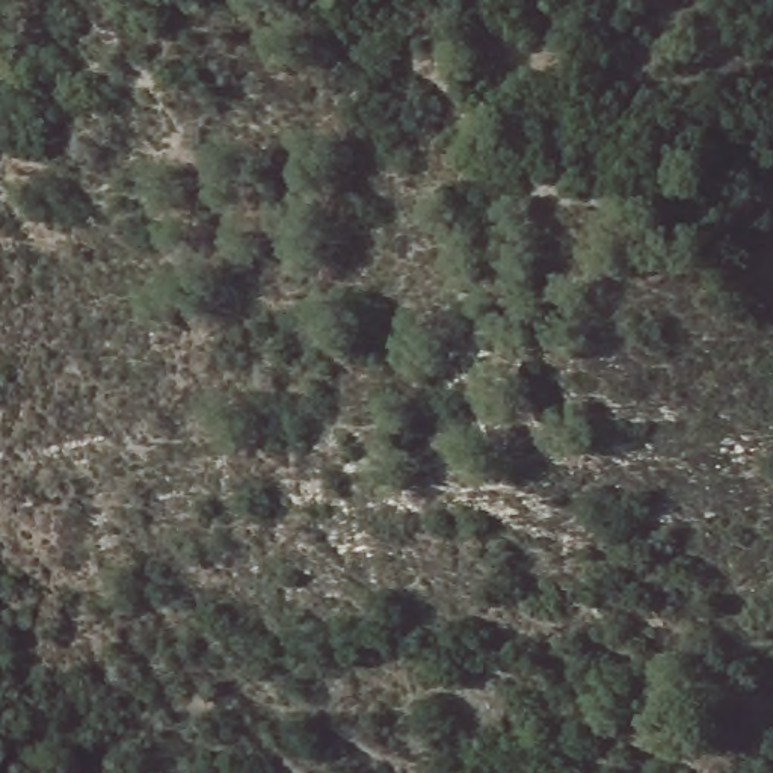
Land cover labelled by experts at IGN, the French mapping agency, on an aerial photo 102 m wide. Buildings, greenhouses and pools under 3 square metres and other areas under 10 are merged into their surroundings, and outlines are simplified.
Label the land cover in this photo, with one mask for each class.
<instances>
[{"label":"deciduous trees","instance_id":"1","mask_svg":"<svg viewBox=\"0 0 773 773\"><path fill-rule=\"evenodd\" d=\"M236 9L242 27L251 33V42L263 66L272 63V54H290L305 66H320L326 91H359V100L341 109V130L347 136L332 139L329 166L317 154L296 157L302 181L314 190L308 223L296 236V251L311 254L302 272L314 278L317 272L329 269L335 278H350L356 269H362L371 260L374 226L396 220V202L377 196L371 178L380 169L423 175L426 160H444L456 172L459 184H447L441 190V199L435 202L429 217L447 229H462L471 239L465 248V263H459L456 272V302L462 305L453 311L435 308L423 329L402 326L396 332V299L377 290H347L341 299L332 302V311L323 314L314 329V344L320 347L317 362L326 368L323 380H317V387L305 396L290 393V365L302 356V338L281 326L275 320V311L260 305V275L263 269L278 263L272 239L266 233H245L242 257L236 263H226L214 242L220 217L199 199V175L190 166L151 157L136 160L133 166L127 163L133 142L130 103L136 79L142 72H151L154 82H160L166 79V63L172 60V42L166 36H157V18L139 0H0V157H24L45 163V172H33V178L21 184V205L30 211L33 220L63 233L75 226L82 229L88 217L97 223H109L103 208H109L112 202L118 205V211L145 208L142 220H127L118 233L127 236L139 254L163 257V305L166 311H172L169 320L181 332H187L184 314H202L211 341L208 374H251L254 393H239L236 408H229L226 414H220L217 396L202 393L190 402V417L184 420V429L190 432L193 444L214 447V468L220 471V498H205L196 507L199 519L190 528L196 565H236L245 556L242 544L233 534V522L251 516L254 522L275 525L290 504L275 474L287 465V453H311L314 444L323 438L326 426L338 420L341 365L335 362V356L344 353L371 371L374 396L387 405V414L393 420H399V429L390 435V447L408 453L405 462H399L405 492H411L414 498H435L441 486L456 501H462L459 507L438 513H408L387 507L359 510V528L371 537V544L411 547L417 534L459 540L474 537L477 556L492 568L483 586V601L492 607L525 604L528 613L556 622V628L547 634L522 637L513 628H501L489 619L474 616L462 622H447L417 592L377 589L365 601L362 616L347 619H320L317 613L287 601L284 592L290 586L311 583V577L305 574V553L317 547L323 556L332 559L338 553L329 544L326 531H320V519H332L335 510L350 513V504L344 501L350 495L347 474L371 471L362 444L353 435H344L338 444L353 462H347L344 471H326L320 480L323 489L341 495L338 507L308 504V516L302 522L305 537L296 540V553H281L278 559L260 553L257 562H251L248 586L254 589V595L248 601L233 604L223 586H199L181 571L175 568L169 550H139L130 559L133 568H124L115 586V595L106 604L97 592L79 595L82 607H88L100 619V625L118 634V664L100 667L94 661L72 670H45L42 682L30 676V667L36 664V643L54 640L57 619L42 616L45 586H39L27 574L9 571L0 562V773H396L390 764L368 761V755H362L350 743L353 734L374 743L383 752H396L399 758L414 761L420 773H773V728L761 734V743L749 755H719L722 731L728 728V722H722L713 713L716 701L731 698L737 688H755V679L752 673H746L740 661H731L716 646L710 634L713 607L707 589L673 562L658 565L649 559V550H655V544L649 534L658 528L661 513L679 510V504L670 501L661 489L631 492L616 486L598 489L589 483L571 498V507L574 519L586 522L580 537L586 550L562 553L559 540L513 531L492 513L465 507L468 492L480 489V483H513L525 489L534 480H544L550 465L598 471V456H619L616 465L628 468V450H640L643 444H649L658 435V423L676 420V411L667 408L664 399L655 393L649 399L619 402L613 393L598 390L595 402L583 405L577 390H568L559 408L534 417L525 399V383L519 380V368L525 362L522 320L528 308H534L525 269L531 266L528 242L534 239V229L528 226V205L537 196H550L559 205V223L565 226L574 245L571 272L550 275L544 290L547 302H556V308L534 329L544 347V362L556 368V374H583L586 359L610 356L625 344V338L616 329V308L625 299V287L610 278L613 269L631 278L679 275L691 266L694 257L707 269L719 272L722 284L731 293L728 314L734 320L755 317L758 326H773V0H226ZM94 112L106 115L109 142L100 145L88 136L79 157L72 160L66 154L72 121L88 118ZM390 661H405L408 676L420 679V685L480 688L489 682L504 701V716L492 725H480L474 707L453 694L423 698L414 704V713H299L278 719L275 713L260 710L257 701H251L226 676L229 670L245 667V673L254 682L269 679L284 691L302 694L314 707L329 694L359 688L362 667H380ZM287 151L236 145L223 160V199L229 205L284 202ZM658 329L664 338V356L673 359L679 356V344H688L691 338L685 329H679V320L667 314L658 323ZM719 453H731V459L725 465H716L722 477L746 480L758 477L761 468L773 471V426L764 432L722 438ZM142 510V525H154L157 501L184 498V489L154 495L151 486L133 483ZM725 631H740L749 646L773 655V571L758 586V595H749L743 601L740 613L722 619Z\"/></svg>","mask_w":773,"mask_h":773},{"label":"brushwood","instance_id":"2","mask_svg":"<svg viewBox=\"0 0 773 773\"><path fill-rule=\"evenodd\" d=\"M157 18V36H166L172 42V60L166 63V79L160 82L166 106L175 109L184 121V145L193 151L190 166L199 175V199L220 217L214 242L226 263H236L242 257L245 233H266L272 239L278 263L263 269L260 275V305L275 311V320L281 326L302 338V356L290 365V393L305 396L317 387V380H323L326 368L317 362L320 347L314 344V329L323 314L332 311V302L341 299L347 290H377L396 299V332L402 326L423 329L435 308L453 311L462 305L456 302V272L459 263H465V248L471 239L462 229H447L429 217L435 202L441 199V190L447 184H459L456 172L444 160H426L423 175L380 169L371 178L377 196L396 202V220L374 226L371 260L362 269H356L350 278H335L329 269L317 272L314 278L302 272L311 254L296 251V236L308 223L314 190L302 181L296 157L317 154L329 166L332 139L347 136L341 130V109L359 100V91H326L320 66H305L290 54H272V63L263 66L251 42V33L242 27L236 9L226 0H139ZM236 145L287 151L284 202L229 205L223 199V160ZM559 205L550 196H537L528 205V226L534 229V239L528 242L531 266L525 269L534 308H528L522 320L525 362L519 368V380L525 383V399L534 417L559 408L568 390H577L583 405L595 402L598 390L613 393L619 402L649 399L655 393L664 399L667 408L676 411V420L658 423V435L649 444H643L640 450H628V468L616 465L619 456H598V471L550 465L544 480H534L525 489L540 495L550 507H571V498L589 483L598 489L616 486L631 492L661 489L670 501L679 504V510L661 513L658 528L649 534L655 544V550H649V559L658 565L673 562L707 589L713 607L710 634L716 646L731 661H740L746 673H752L755 679V688H737L731 698L716 701L713 713L722 722H728V728L722 731L719 755H749L761 743V734L773 728V655L749 646L740 631H725L722 619L740 613L743 601L749 595H758V586L773 571V471L761 468L758 477L746 480L722 477L716 465H725L731 459V453H719L722 438L764 432L773 426V326H758L755 317L734 320L728 314L731 293L722 284L719 272L707 269L694 257L691 266L679 275L631 278L613 269L610 278L625 287V299L616 308V329L625 338V344L610 356L586 359L583 374H556V368L544 362V347L534 329L556 308V302H547L544 290L550 275L571 272L574 245L565 226L559 223ZM667 314L679 320V329H685L691 338L688 344H679V356L673 359L664 356V338L658 329V323ZM109 223H97L88 217L82 229L75 226L63 233L54 251H36L30 245V236L15 239V251H0V501H24L21 480L30 477L48 498H57L69 507L75 498V480L85 477L97 513L94 528L85 537L88 562H97L103 580L115 586L124 568H133L130 559L139 550H169L175 568L181 571L187 565H196L190 528L199 519L196 507L205 498H220V471L214 468V447L193 444L190 432L184 429V420L190 417V402L202 393L184 387L181 399L172 408H163L157 402L160 374H175V365L151 350L148 332L160 329V344H175L181 332L169 320L172 311H166L163 305V257L139 254L127 236L118 233L127 220H142L145 208L118 211V205L112 202L109 208H103ZM85 435H103V447H79L66 456H42V447ZM133 483L151 486L154 495L184 489V498L157 501L154 525H142V510ZM335 362L341 365L338 420L326 426L323 438L314 444L311 453H287V465L275 474L290 504H308L338 507L341 495L323 489L320 480L326 471H344L347 462H353L338 444L344 435H353L362 444L371 471L347 474L350 495L344 501L350 504V513L335 510L332 519H320V531H326L329 544L338 553L332 559L323 556L317 547L305 553V574L311 577V583L290 586L284 592L287 601L317 613L320 619H347L362 616L365 601L377 589L417 592L447 622H462L474 616L489 619L501 628H513L522 637L547 634L556 628V622L528 613L525 604L492 607L483 601V586L492 568L477 556L474 537L459 540L417 534L411 547L371 544V537L359 528V510L387 507V495L405 492L399 462H405L408 453L390 447V435L399 429V420H393L387 414V405L374 396L371 371L344 353L335 356Z\"/></svg>","mask_w":773,"mask_h":773},{"label":"herbaceous vegetation","instance_id":"3","mask_svg":"<svg viewBox=\"0 0 773 773\"><path fill-rule=\"evenodd\" d=\"M133 142L127 163L133 166L136 160L151 157L190 166L193 151L184 145V121L175 109L166 106L160 82H154L151 72H142L136 79L130 103ZM88 136L100 145L109 142L106 115L94 112L88 118L72 121L66 154L72 160L79 157ZM33 172H45V163L24 157H0V251H15V239L30 236V245L36 251H54L63 233L33 220L30 211L21 205V184L33 178ZM187 332H181L175 344H160V329L148 332L151 350L175 365V374H160L157 402L163 408H172L181 399L184 387L202 393L217 396L220 414H226L229 408H236L239 393H254L251 374H208L211 341L202 314H184ZM79 447H103V435H85L42 447V456H66ZM24 501H0V562L9 571L27 574L39 586H45L42 616L57 619L54 640L36 643V664L30 667V676L42 682L45 670H72L94 661L100 667L118 664V634L100 625V619L88 607H82L79 595L97 592L106 604L115 595V586L103 580L97 562H88L85 537L94 528L97 513L85 477L75 480V498L69 507L57 498H48L30 477L21 480ZM465 507L492 513L513 531L559 540L562 553L586 550L580 537L586 522L574 519L571 507H550L540 495L525 489L513 483H480V489L468 492ZM462 501H456L441 486L435 498H414L411 492H405L387 495V507L408 513H438L459 507ZM308 516V504H290L275 525L254 522L251 516L233 522V534L242 544L245 556L236 565H187L181 571L199 586H223L233 604L248 601L254 595V589L248 586L251 562H257L260 553L278 559L281 553H296V540L305 537L302 522ZM226 676L251 701H257L260 710L275 713L278 719L299 713H414V704L423 698L453 694L474 707L480 725H492L504 716V701L489 682L480 688L420 685V679L408 676L405 661H390L380 667H362L359 688L329 694L314 707L302 694L284 691L269 679L254 682L245 673V667L229 670ZM350 743L362 755H368V761L390 764L396 773H420L414 761L399 758L396 752H383L374 743L353 734Z\"/></svg>","mask_w":773,"mask_h":773}]
</instances>
